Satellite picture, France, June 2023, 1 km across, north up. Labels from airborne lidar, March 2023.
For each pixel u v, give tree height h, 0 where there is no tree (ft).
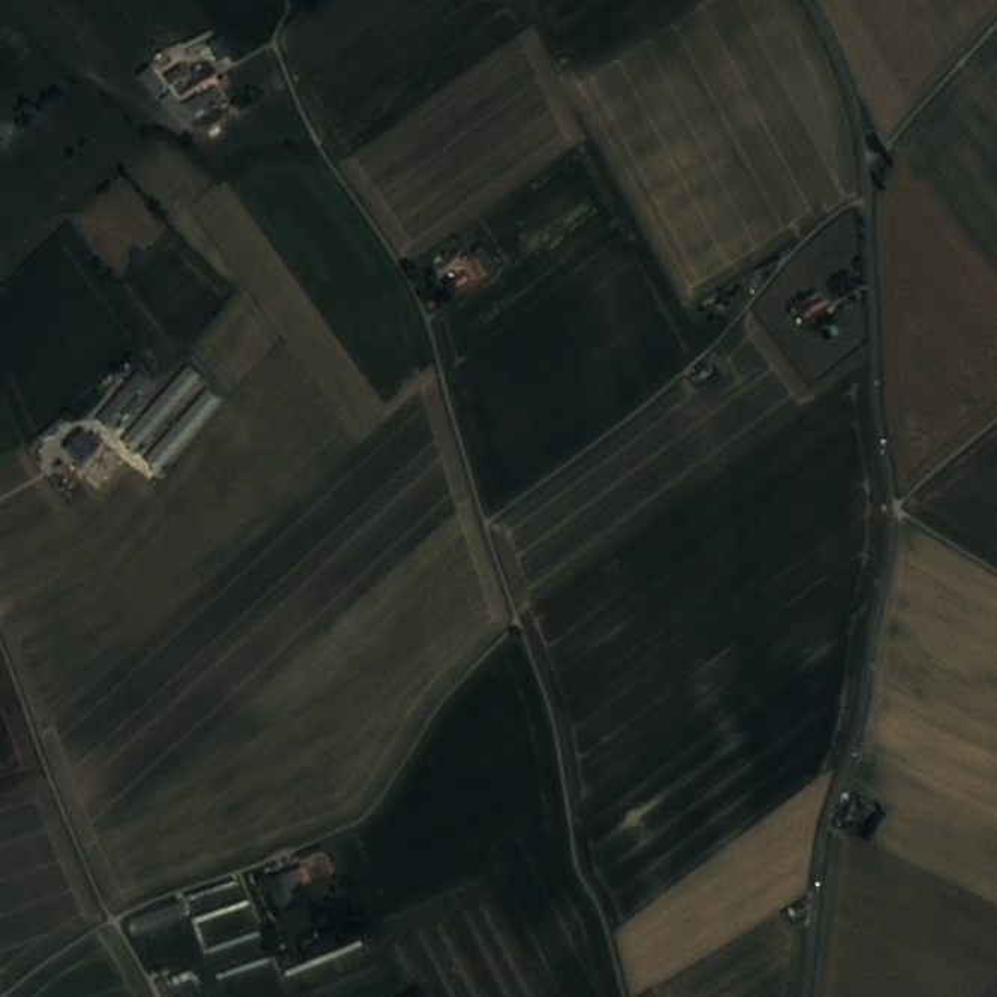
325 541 0
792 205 0
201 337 0
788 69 0
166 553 0
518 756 0
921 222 0
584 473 0
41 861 0
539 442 0
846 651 0
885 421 0
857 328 0
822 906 0
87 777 0
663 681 0
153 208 59
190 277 0
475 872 0
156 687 0
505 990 0
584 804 0
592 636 0
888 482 0
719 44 0
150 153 0
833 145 0
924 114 0
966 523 0
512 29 0
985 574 0
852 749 0
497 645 0
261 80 0
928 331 0
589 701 0
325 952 37
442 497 0
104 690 0
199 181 0
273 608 0
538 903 0
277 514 0
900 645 0
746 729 0
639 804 0
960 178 0
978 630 0
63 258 0
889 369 0
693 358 0
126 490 0
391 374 0
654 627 0
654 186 0
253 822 0
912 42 0
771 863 0
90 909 0
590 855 0
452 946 0
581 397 0
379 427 0
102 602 0
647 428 0
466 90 0
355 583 0
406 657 0
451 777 0
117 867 0
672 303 0
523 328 0
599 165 0
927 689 0
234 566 0
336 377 0
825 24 0
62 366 0
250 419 0
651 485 0
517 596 0
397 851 0
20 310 0
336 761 0
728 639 0
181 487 0
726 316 0
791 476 0
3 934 0
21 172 0
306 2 38
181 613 0
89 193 0
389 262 0
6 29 0
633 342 0
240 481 0
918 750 0
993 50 0
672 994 0
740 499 0
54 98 47
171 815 0
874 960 0
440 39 0
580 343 0
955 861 0
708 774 0
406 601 0
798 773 0
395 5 0
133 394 0
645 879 0
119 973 0
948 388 0
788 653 0
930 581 0
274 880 0
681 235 0
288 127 0
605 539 0
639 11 0
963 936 0
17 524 0
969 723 0
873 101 0
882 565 0
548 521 0
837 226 0
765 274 23
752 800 0
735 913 0
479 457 0
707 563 0
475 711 0
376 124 0
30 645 0
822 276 0
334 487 0
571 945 0
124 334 0
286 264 0
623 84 0
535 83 0
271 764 0
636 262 0
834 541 0
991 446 0
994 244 0
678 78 0
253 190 0
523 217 0
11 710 0
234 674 0
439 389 0
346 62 0
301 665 0
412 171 0
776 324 0
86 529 0
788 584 0
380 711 0
